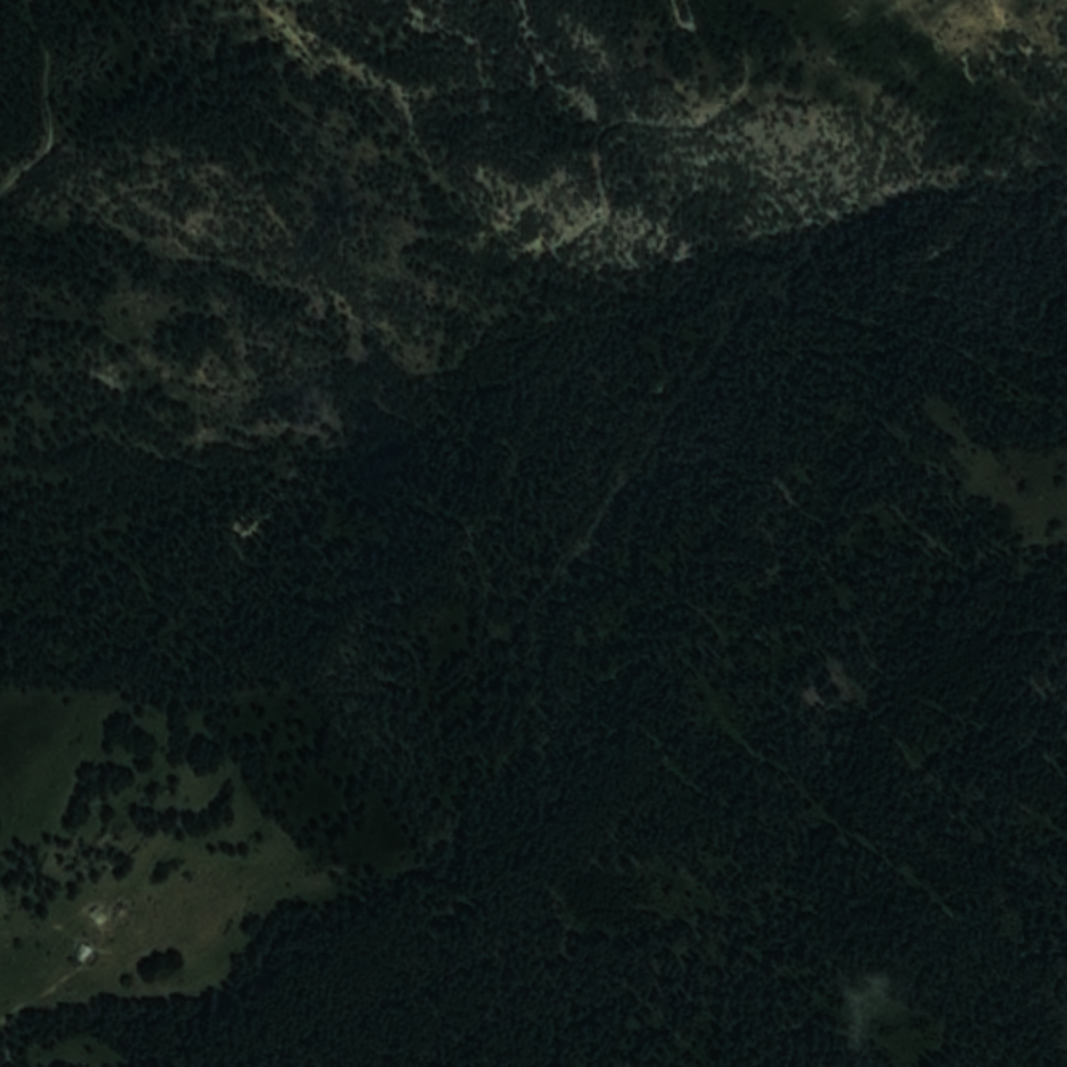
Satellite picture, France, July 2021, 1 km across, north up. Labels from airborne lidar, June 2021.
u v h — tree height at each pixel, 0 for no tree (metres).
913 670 16
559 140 19
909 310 20
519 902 22
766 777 25
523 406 20
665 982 25
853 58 8
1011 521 8
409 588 10
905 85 15
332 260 10
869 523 7
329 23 9
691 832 21
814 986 15
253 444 16
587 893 15
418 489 26
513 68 8
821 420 26
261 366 11
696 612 23
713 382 20
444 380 13
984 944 26
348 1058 26
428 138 15
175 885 0
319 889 0
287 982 31
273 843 0
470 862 26
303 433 0
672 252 9
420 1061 24
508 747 27
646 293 9
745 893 21
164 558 19
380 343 7
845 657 23
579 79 7
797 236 15
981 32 0
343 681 16
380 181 10
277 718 0
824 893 23
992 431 11
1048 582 18
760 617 12
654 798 25
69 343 18
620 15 15
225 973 0
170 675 24
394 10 12
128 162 8
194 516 26
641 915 7
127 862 19
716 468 16
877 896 14
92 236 21
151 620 10
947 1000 17
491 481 15
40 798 0
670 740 26
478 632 21
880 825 21
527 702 24
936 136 14
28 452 19
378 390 14
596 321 9
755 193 11
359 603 23
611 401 13
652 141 6
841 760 14
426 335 12
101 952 0
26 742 0
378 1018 22
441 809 22
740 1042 26
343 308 9
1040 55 7
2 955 0
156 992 0
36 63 20
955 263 17
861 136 7
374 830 0
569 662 23
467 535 20
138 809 22
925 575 17
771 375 22
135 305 0
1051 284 19
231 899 0
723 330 24
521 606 25
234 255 8
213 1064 28
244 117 25
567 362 16
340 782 17
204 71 27
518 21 8
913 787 24
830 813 16
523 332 12
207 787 0
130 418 21
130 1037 21
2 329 9
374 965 27
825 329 29
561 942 22
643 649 22
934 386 14
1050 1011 16
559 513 18
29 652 24
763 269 17
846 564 8
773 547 20
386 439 24
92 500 19
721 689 23
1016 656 18
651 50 15
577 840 19
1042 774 24
